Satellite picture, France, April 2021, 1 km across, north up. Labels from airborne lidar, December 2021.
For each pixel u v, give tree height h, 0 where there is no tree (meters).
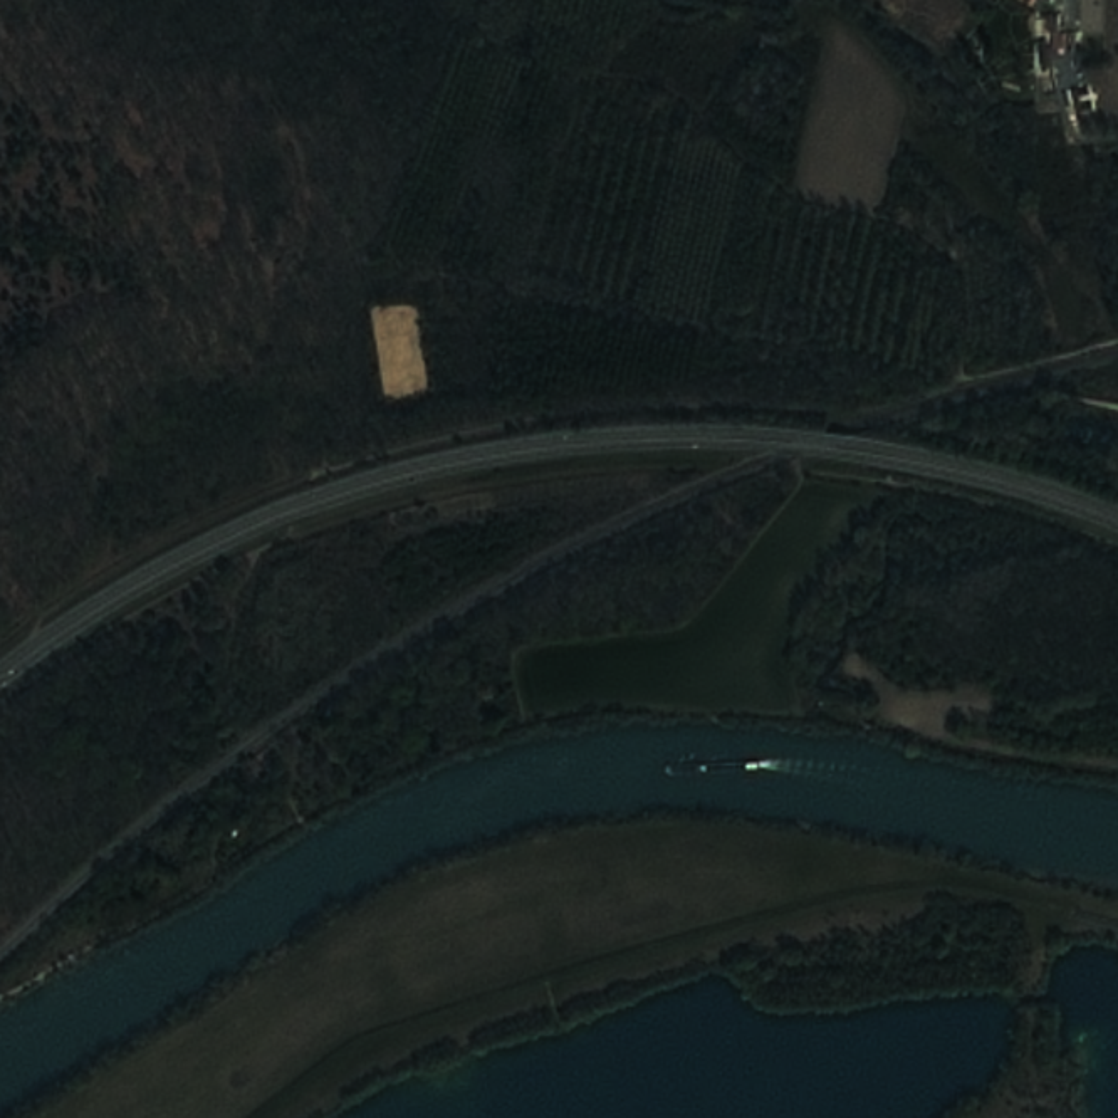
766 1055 0
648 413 13
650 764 0
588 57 17
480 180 11
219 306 26
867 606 11
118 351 26
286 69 21
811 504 0
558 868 0
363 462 13
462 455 0
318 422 22
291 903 0
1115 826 0
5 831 27
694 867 0
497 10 26
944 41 0
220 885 12
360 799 15
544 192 16
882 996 16
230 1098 0
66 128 19
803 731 6
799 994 16
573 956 0
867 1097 0
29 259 0
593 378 17
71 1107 0
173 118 18
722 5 10
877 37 16
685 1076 0
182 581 0
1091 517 0
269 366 28
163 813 0
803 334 17
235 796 8
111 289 0
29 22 22
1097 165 22
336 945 0
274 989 0
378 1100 0
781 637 0
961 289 16
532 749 0
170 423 18
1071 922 0
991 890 0
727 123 11
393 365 0
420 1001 0
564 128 15
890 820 0
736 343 15
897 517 12
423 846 0
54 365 23
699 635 0
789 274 8
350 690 10
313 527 0
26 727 20
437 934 0
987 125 18
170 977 0
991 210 0
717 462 0
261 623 12
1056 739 20
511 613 19
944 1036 0
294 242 16
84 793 22
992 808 0
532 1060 0
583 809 0
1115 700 11
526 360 9
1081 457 13
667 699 0
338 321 22
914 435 12
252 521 0
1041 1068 7
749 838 0
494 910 0
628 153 8
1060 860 0
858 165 0
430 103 19
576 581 24
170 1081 0
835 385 26
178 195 15
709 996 0
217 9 24
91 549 21
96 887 12
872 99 0
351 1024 0
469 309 9
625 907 0
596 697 0
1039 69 0
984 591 24
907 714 0
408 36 23
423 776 15
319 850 0
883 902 0
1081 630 20
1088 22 0
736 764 0
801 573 0
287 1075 0
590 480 0
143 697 23
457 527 8
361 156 23
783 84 22
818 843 0
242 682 6
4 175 16
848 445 0
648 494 0
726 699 0
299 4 20
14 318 0
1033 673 18
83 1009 0
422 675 15
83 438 21
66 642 0
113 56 24
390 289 9
